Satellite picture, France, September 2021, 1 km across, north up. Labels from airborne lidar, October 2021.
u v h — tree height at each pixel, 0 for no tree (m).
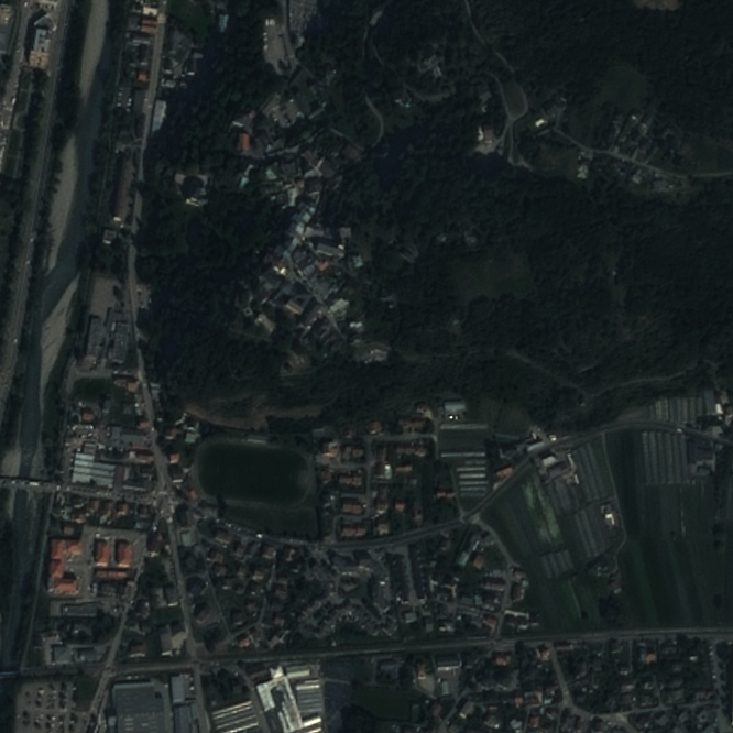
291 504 0
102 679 0
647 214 22
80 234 0
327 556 0
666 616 0
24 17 0
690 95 15
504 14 10
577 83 20
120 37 15
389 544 0
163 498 0
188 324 13
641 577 0
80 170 0
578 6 23
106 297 0
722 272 21
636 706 0
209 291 15
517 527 0
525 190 16
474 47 15
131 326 0
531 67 15
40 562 0
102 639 17
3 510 8
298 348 15
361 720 17
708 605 0
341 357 6
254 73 22
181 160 23
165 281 14
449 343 14
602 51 24
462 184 24
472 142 0
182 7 0
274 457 0
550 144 8
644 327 14
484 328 19
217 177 10
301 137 8
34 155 14
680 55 22
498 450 9
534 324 19
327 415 17
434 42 10
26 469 0
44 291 0
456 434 0
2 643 0
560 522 0
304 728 0
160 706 0
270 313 11
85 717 0
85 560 0
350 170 9
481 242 17
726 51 8
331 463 0
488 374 16
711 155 0
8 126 0
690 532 0
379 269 18
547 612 0
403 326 10
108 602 0
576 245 22
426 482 0
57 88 0
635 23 14
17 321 0
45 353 0
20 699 0
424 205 30
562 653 10
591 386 8
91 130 0
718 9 23
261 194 8
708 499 0
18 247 17
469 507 0
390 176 12
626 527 0
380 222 14
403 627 0
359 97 12
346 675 0
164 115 0
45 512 0
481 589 0
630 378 14
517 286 0
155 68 0
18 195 8
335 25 26
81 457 0
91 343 0
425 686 0
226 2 8
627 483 0
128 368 0
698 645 11
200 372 17
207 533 0
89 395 0
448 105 19
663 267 25
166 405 27
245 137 0
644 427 0
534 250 19
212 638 14
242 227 6
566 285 17
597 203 22
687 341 23
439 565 11
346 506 0
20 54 0
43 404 0
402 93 17
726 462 14
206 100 16
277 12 11
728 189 15
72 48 14
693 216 25
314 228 0
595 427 15
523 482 0
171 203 11
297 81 0
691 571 0
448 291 11
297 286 0
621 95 0
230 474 0
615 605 10
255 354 19
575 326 10
